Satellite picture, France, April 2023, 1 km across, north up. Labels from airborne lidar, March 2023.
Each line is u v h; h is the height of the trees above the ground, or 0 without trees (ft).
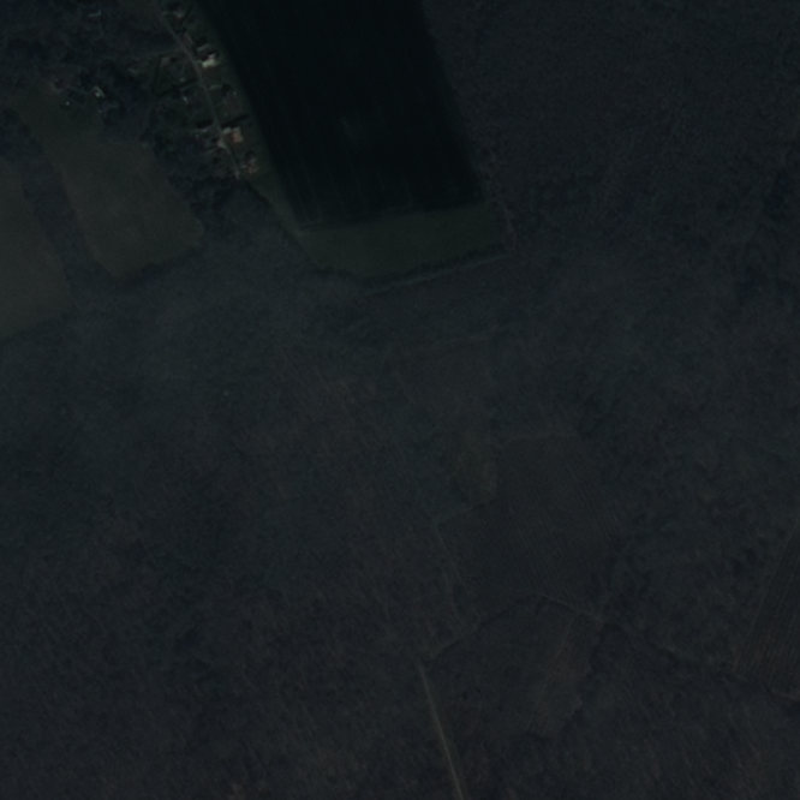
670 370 75
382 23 0
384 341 50
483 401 0
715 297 56
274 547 52
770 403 81
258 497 69
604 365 69
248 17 0
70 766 73
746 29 88
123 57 51
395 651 74
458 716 20
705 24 72
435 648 64
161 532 71
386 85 0
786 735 85
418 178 0
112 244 0
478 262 35
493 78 76
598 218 106
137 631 79
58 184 76
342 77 0
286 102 0
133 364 79
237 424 56
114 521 66
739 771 100
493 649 34
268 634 94
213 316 83
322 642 68
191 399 73
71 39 24
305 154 0
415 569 79
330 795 70
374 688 58
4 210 0
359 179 0
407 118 0
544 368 80
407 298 37
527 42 72
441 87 0
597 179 112
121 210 0
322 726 76
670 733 97
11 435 73
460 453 0
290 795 88
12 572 72
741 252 59
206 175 42
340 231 0
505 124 71
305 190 0
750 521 87
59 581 65
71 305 0
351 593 76
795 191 71
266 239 72
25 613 79
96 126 0
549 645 27
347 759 81
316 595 67
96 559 89
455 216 0
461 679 27
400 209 0
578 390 78
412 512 55
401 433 66
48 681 77
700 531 88
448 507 77
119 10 54
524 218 61
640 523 56
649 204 88
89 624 77
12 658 71
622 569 54
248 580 41
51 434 76
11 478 58
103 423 51
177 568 65
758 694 87
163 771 80
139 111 89
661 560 79
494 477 0
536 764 83
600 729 49
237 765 83
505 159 69
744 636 95
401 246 0
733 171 74
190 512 41
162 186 0
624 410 75
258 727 92
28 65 71
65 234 83
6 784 65
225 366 75
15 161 68
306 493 38
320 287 45
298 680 82
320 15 0
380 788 68
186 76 0
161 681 89
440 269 30
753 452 84
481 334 84
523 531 19
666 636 91
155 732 77
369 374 39
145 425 62
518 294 22
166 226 0
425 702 48
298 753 68
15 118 44
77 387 70
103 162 0
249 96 0
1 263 0
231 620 84
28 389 62
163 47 58
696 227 58
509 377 82
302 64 0
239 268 72
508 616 24
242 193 63
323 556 20
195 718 87
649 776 96
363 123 0
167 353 72
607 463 77
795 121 63
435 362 0
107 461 59
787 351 77
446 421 0
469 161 0
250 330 87
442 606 88
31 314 0
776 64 73
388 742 69
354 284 45
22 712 64
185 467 41
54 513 68
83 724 70
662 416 77
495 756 29
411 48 0
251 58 0
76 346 51
